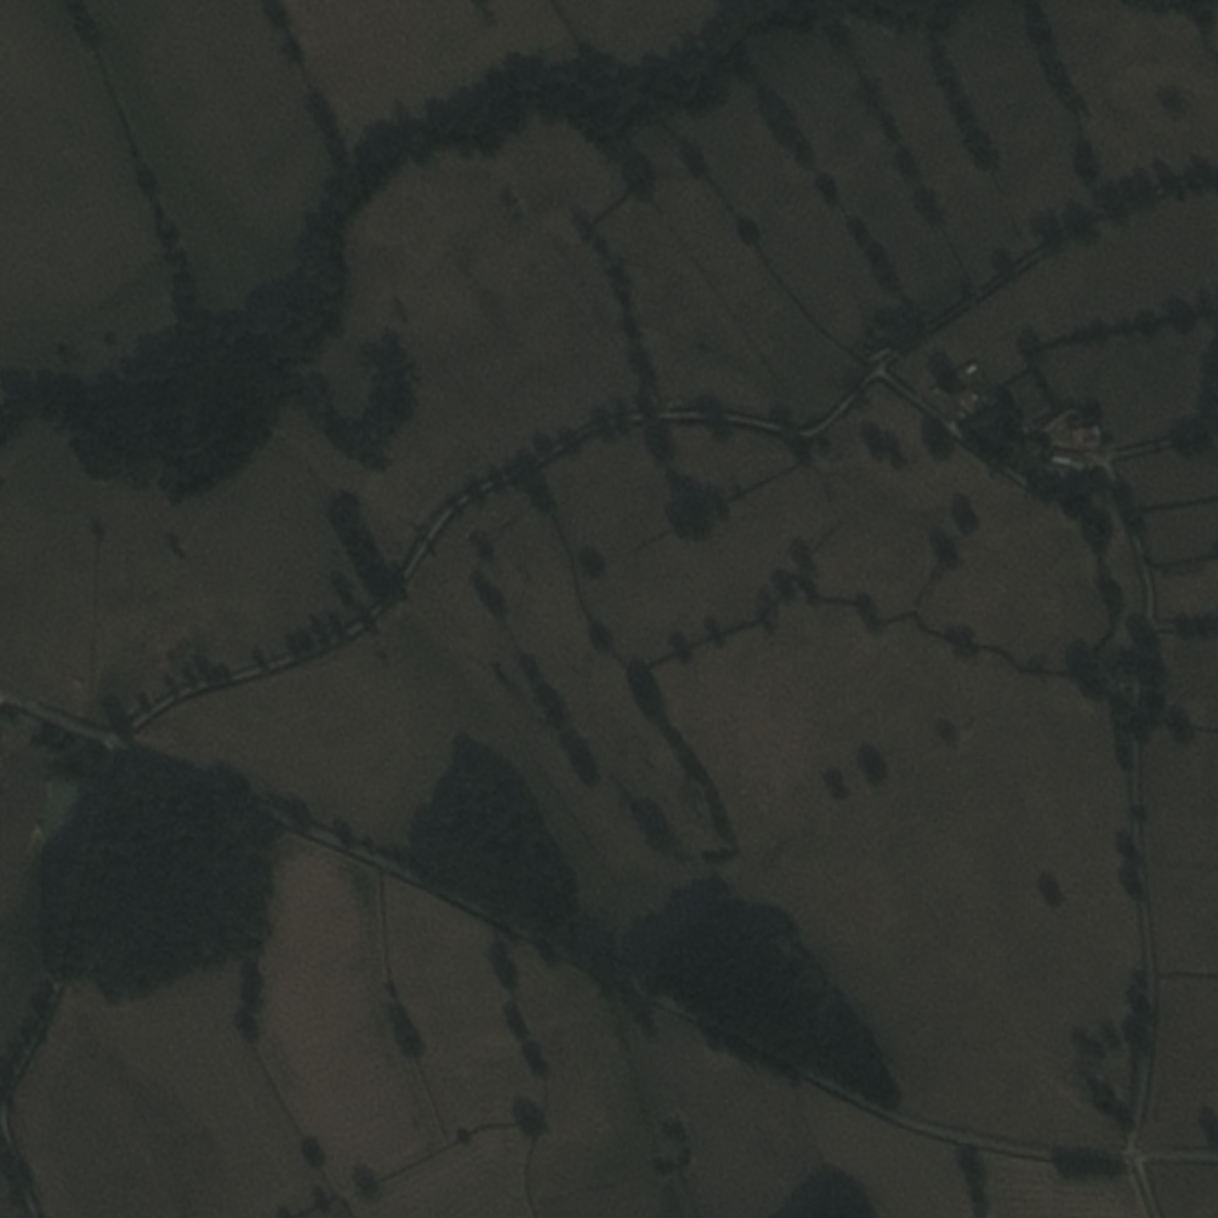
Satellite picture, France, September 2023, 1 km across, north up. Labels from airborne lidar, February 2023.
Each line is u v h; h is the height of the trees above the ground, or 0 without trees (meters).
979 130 18
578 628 0
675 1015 0
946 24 15
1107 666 0
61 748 6
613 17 0
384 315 0
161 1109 0
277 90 0
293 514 0
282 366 20
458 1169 0
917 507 0
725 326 0
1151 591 0
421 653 0
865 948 0
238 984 0
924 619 0
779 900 0
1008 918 0
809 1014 28
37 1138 0
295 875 0
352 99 0
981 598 0
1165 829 0
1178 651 0
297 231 0
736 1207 0
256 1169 0
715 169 0
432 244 0
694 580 0
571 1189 0
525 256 0
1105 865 0
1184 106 16
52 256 0
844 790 13
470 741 0
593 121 18
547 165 0
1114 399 0
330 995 0
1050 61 12
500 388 0
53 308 0
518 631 0
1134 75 0
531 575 0
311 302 18
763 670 0
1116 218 17
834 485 0
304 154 0
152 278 0
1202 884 0
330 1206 7
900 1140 0
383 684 0
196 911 22
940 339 0
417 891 0
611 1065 0
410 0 0
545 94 23
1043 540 0
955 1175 0
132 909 21
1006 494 0
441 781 0
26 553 0
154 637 0
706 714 0
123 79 0
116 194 0
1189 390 0
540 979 0
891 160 0
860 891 0
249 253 0
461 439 0
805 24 21
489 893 17
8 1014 0
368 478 0
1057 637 0
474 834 24
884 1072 20
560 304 0
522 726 0
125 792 22
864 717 0
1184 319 16
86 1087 0
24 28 0
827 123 0
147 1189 0
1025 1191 0
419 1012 0
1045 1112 0
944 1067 0
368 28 0
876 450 19
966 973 0
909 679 0
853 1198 24
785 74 0
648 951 24
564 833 0
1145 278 0
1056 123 0
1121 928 0
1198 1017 0
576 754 25
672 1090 0
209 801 23
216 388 23
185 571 0
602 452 0
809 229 0
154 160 0
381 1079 0
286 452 0
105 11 0
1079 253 0
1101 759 0
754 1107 0
